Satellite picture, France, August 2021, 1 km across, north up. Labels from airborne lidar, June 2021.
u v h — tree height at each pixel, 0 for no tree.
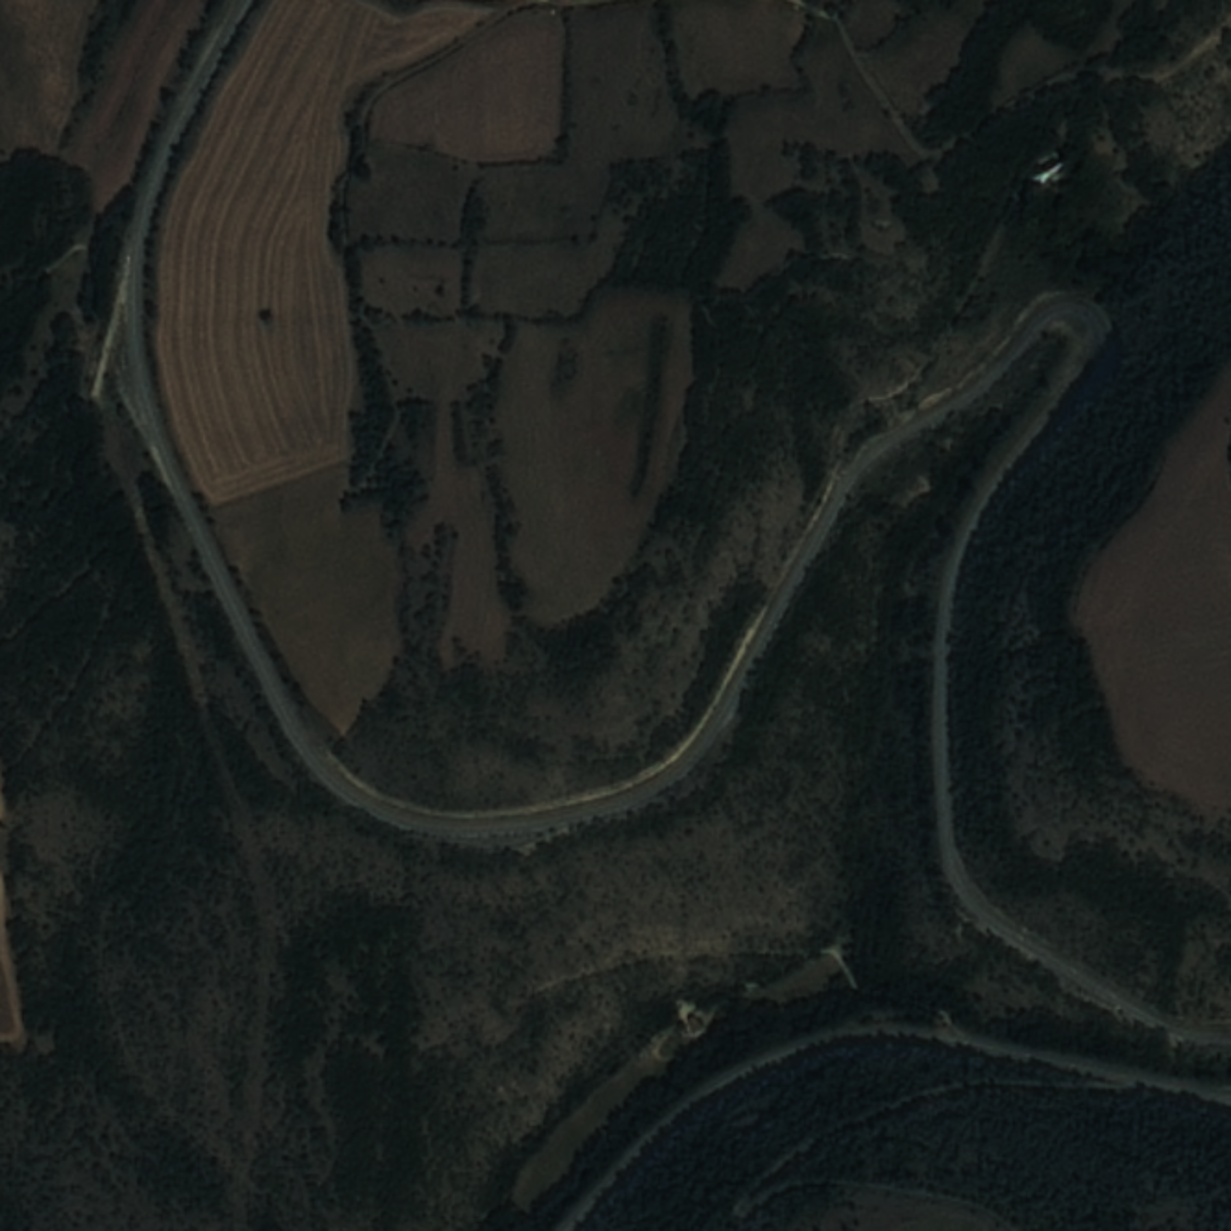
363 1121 6
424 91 0
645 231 7
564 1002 5
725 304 7
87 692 6
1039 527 7
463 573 0
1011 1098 10
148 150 8
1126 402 8
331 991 6
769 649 8
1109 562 0
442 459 0
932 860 7
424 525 0
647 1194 8
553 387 0
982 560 6
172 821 7
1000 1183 6
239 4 0
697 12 0
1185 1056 8
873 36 0
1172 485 0
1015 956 7
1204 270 5
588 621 7
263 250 0
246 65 0
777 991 0
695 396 10
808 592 13
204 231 0
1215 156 6
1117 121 12
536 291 0
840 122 0
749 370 5
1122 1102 9
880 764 9
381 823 6
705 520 8
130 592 7
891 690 10
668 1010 9
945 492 12
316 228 0
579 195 0
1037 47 0
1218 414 0
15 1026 0
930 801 11
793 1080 7
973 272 8
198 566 6
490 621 0
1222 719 0
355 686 0
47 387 9
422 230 0
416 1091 8
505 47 0
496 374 7
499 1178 9
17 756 6
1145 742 0
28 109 0
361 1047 7
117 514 14
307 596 0
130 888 9
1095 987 0
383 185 0
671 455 0
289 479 0
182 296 0
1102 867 6
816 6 14
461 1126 6
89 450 12
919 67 0
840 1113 10
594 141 0
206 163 0
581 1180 14
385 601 0
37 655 6
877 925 7
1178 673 0
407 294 0
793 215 10
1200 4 7
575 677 6
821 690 6
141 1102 7
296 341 0
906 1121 10
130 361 0
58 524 7
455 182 0
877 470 0
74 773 6
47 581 7
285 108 0
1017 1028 14
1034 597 7
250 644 0
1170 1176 8
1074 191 15
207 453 0
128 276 0
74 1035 8
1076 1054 9
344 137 0
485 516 0
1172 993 10
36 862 6
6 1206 7
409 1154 10
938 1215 0
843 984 11
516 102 0
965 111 11
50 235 7
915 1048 13
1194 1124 10
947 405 0
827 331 6
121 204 11
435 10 0
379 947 8
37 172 12
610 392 0
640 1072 0
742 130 0
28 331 14
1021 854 6
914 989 13
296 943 7
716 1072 8
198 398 0
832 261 8
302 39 0
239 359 0
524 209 0
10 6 0
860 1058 13
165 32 0
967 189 10
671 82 8
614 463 0
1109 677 0
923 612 14
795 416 7
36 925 7
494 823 0
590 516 0
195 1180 6
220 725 10
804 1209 8
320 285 0
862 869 8
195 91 0
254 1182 5
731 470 8
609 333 0
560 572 0
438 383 0
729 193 11
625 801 0
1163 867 7
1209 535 0
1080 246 13
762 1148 6
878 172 7
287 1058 6
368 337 7
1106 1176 7
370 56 0
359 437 8
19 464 7
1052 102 13
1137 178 13
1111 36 0
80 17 0
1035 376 7
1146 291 7
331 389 0
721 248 12
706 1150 10
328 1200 6
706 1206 7
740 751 10
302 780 7
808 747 6
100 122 0
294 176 0
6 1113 6
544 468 0
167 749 9
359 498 7
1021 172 8
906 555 10
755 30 0
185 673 9
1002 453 0
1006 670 7
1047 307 0
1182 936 9
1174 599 0
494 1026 0
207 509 7
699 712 7
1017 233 9
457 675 6
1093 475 7
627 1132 13
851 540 11
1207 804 0
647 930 0
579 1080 8
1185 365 8
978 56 16
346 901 6
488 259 0
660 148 0
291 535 0
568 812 0
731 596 8
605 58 0
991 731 7
